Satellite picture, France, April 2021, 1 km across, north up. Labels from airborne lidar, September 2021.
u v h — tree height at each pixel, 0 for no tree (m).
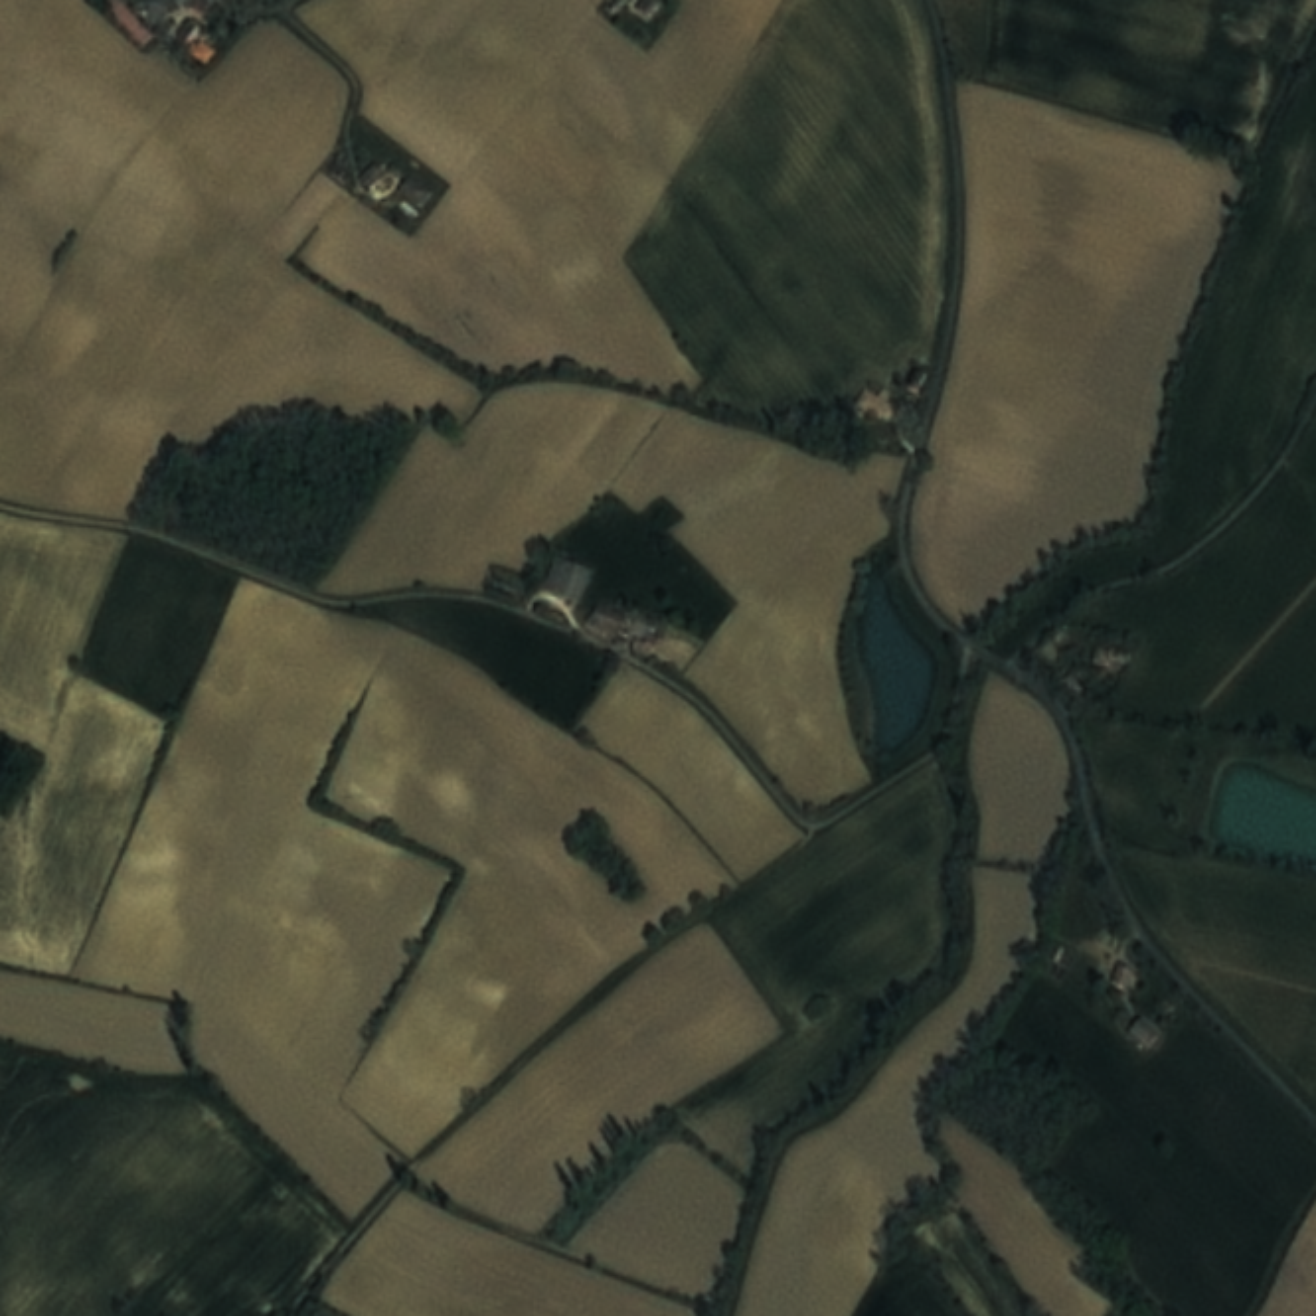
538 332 0
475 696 0
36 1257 0
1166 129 0
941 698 0
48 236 0
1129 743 0
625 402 0
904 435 17
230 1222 0
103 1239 0
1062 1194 20
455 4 0
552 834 0
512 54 0
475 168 0
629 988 0
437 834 0
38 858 0
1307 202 0
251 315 0
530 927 0
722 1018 0
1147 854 0
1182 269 0
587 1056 0
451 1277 0
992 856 0
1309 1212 0
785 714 0
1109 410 0
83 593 0
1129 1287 12
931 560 0
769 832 0
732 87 0
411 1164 0
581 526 0
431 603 0
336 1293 0
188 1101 0
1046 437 0
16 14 0
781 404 0
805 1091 0
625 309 0
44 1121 0
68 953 0
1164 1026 6
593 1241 0
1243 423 0
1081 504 0
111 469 0
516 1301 0
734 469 0
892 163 0
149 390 0
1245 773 0
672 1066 0
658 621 9
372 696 0
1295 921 0
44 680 0
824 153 0
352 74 0
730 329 0
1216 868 0
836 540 0
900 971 0
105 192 0
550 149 0
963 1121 14
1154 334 0
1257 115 0
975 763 0
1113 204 0
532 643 0
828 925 0
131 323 0
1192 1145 0
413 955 15
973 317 0
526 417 0
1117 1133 0
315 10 0
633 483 0
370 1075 0
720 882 0
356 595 0
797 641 0
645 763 0
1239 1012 0
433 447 0
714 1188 0
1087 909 0
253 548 18
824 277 0
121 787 0
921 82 0
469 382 15
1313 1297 0
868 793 0
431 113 0
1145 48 0
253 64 0
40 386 0
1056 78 0
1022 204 0
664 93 0
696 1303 11
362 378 0
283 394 0
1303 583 0
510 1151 0
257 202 0
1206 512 0
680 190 0
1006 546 0
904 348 0
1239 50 0
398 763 0
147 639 0
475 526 0
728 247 0
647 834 0
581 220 0
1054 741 0
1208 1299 0
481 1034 0
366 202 9
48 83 0
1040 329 0
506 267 0
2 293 0
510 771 0
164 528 14
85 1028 0
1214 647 0
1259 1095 0
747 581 0
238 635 0
